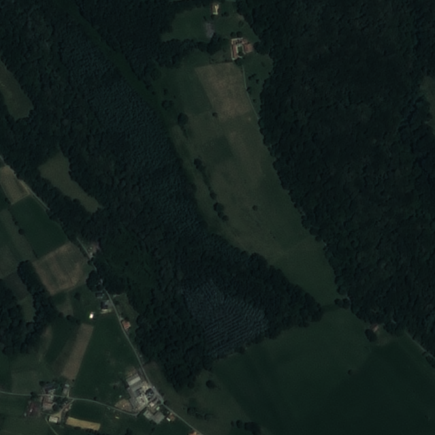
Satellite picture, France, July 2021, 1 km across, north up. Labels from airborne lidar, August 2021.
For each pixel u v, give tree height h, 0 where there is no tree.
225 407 0
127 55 13
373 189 26
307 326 16
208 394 0
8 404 0
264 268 22
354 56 25
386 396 0
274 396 0
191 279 17
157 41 16
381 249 24
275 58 14
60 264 0
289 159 10
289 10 19
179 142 0
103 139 22
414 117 33
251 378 0
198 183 0
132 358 0
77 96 18
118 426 0
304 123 16
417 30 13
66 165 0
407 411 0
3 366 0
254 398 0
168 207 17
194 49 22
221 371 0
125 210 23
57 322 0
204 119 0
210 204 0
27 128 25
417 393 0
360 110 26
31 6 16
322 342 0
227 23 0
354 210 19
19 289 0
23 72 22
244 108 0
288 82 16
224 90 0
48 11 26
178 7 23
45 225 0
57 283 0
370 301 19
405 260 24
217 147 0
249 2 18
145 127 18
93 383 0
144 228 21
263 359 0
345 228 14
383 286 23
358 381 0
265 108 15
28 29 23
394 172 22
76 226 22
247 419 0
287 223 0
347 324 0
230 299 20
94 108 14
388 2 22
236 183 0
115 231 21
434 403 0
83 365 0
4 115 26
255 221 0
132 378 0
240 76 0
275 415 0
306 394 0
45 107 26
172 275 21
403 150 23
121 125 23
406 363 0
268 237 0
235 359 0
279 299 17
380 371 0
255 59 0
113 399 0
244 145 0
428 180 9
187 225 16
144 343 15
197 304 16
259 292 17
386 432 0
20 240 0
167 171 20
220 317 16
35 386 0
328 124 24
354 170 26
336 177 25
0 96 23
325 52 24
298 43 23
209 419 11
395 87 26
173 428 0
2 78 0
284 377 0
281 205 0
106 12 23
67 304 0
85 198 0
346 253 24
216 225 0
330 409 0
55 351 0
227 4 0
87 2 29
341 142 24
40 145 29
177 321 28
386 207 29
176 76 0
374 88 24
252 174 0
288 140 23
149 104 12
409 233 23
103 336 0
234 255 17
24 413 0
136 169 10
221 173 0
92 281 19
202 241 20
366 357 0
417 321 15
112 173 21
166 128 11
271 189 0
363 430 0
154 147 19
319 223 16
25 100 0
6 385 0
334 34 22
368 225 28
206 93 0
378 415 0
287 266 0
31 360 0
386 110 19
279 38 26
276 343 0
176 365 6
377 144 24
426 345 14
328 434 0
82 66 17
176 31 0
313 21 20
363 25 25
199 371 12
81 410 0
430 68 16
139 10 24
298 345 0
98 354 0
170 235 16
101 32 21
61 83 25
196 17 0
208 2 19
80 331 0
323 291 0
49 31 24
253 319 19
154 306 19
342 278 20
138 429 0
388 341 0
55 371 0
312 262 0
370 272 21
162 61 17
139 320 18
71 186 0
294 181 8
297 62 22
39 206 0
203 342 15
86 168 26
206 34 0
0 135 22
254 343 15
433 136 12
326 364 0
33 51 21
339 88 24
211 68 0
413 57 9
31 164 24
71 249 0
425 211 14
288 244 0
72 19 18
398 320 26
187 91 0
